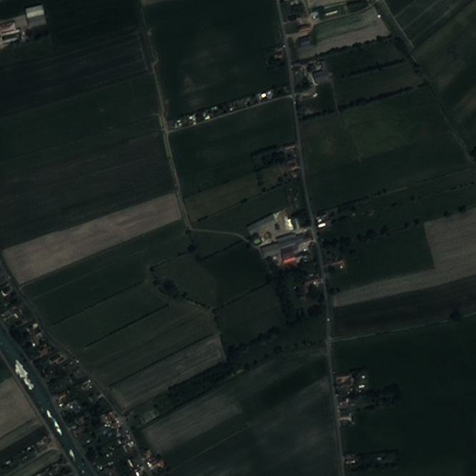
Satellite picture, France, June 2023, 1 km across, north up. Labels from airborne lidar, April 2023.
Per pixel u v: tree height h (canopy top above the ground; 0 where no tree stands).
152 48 0
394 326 0
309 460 0
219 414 0
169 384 0
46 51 0
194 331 0
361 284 0
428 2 0
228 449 0
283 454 0
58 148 0
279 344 0
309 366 0
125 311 0
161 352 0
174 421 0
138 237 0
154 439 0
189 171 0
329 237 0
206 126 0
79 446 0
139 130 0
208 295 0
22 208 0
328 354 0
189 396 0
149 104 0
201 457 0
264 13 0
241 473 0
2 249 0
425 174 0
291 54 0
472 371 0
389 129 0
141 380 0
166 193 0
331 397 0
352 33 0
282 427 0
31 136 0
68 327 0
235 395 0
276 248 0
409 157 0
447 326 0
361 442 0
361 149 0
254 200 0
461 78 0
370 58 0
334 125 0
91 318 0
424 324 0
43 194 0
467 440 0
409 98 0
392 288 0
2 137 0
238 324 0
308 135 0
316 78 0
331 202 0
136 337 0
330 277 0
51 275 0
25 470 0
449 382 0
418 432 0
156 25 0
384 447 0
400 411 0
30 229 0
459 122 0
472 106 0
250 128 0
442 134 0
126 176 0
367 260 0
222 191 0
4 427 0
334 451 0
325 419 0
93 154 0
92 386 0
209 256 6
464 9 0
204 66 0
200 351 0
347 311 0
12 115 0
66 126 0
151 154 0
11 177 0
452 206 0
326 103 0
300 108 11
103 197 0
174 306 0
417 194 0
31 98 0
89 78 0
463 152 0
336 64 0
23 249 0
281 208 0
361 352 0
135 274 0
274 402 0
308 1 0
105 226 0
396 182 0
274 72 0
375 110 0
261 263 0
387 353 0
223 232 0
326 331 0
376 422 0
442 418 0
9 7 0
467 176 0
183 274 0
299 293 9
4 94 0
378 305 0
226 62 0
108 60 0
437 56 0
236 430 0
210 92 0
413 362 0
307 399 0
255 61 0
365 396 10
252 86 0
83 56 0
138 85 0
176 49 0
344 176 0
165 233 0
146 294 0
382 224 0
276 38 0
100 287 0
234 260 0
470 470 0
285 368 0
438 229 0
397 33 0
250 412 0
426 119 0
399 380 0
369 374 0
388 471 0
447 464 0
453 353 0
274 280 20
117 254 0
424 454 0
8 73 0
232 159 0
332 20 0
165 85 0
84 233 0
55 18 0
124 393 0
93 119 0
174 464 0
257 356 0
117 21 0
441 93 0
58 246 0
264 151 10
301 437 0
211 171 0
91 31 0
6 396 0
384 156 0
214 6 0
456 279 0
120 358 0
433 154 0
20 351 0
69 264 0
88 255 0
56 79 0
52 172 0
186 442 0
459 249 0
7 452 0
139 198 0
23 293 0
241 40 0
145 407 0
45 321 0
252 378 0
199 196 0
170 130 0
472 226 0
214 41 0
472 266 0
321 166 0
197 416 0
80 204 0
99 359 0
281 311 0
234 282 0
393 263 0
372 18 0
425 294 0
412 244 0
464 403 0
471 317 0
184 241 0
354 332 0
